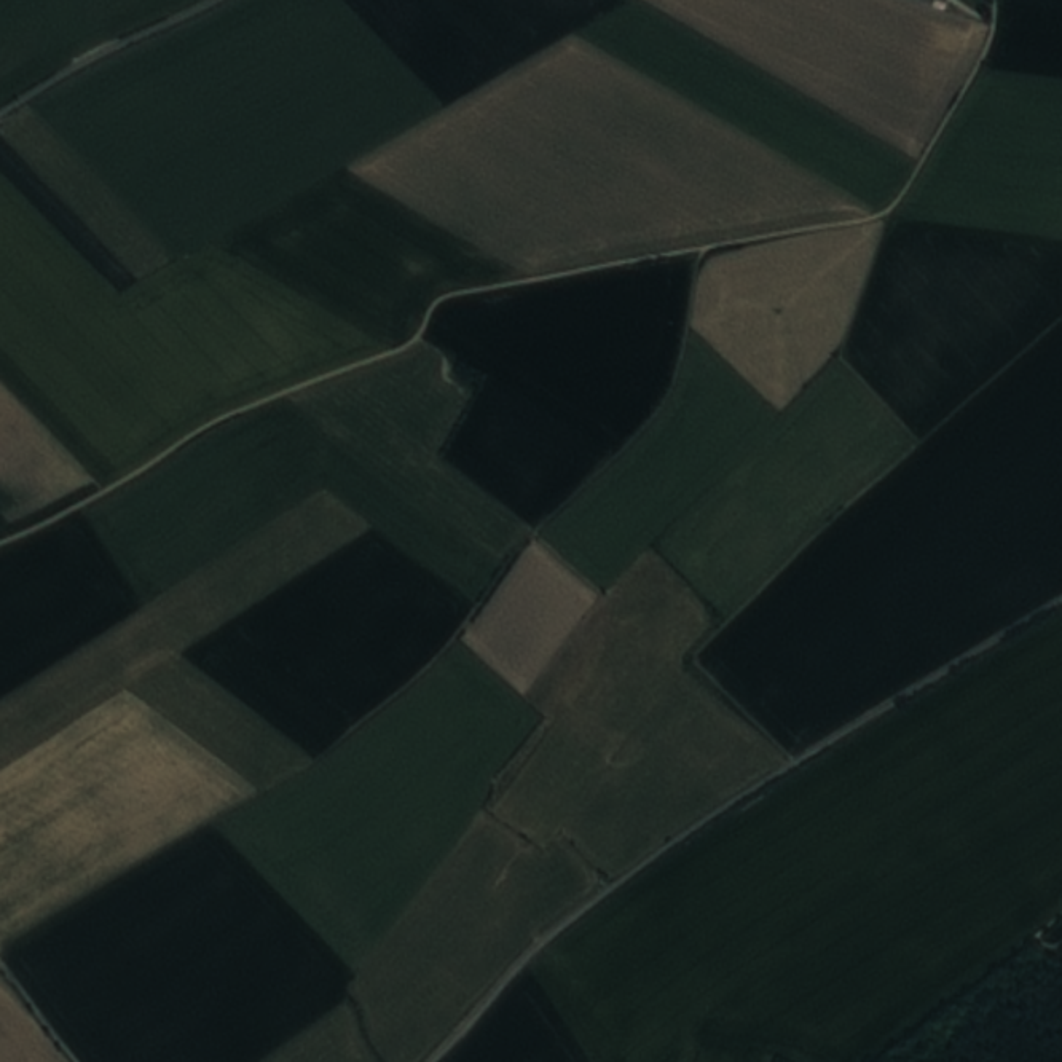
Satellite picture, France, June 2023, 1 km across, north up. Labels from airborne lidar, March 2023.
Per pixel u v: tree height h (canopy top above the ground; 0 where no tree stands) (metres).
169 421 0
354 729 0
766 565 0
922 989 0
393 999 0
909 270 0
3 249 0
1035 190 0
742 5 0
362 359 0
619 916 0
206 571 0
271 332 0
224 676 0
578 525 0
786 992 0
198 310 0
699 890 0
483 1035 0
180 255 0
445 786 0
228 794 0
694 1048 0
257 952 0
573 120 0
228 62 0
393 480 0
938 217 0
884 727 0
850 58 0
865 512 0
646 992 0
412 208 0
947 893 0
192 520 0
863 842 0
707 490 0
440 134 0
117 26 0
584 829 0
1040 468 0
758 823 0
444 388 0
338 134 0
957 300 0
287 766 0
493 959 0
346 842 0
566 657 0
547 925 0
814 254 0
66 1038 0
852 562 0
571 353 0
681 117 0
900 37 0
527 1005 0
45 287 0
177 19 0
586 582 0
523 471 0
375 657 0
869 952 0
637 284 0
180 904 0
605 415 0
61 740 0
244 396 0
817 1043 0
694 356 0
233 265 0
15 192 0
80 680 0
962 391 0
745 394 0
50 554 0
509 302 0
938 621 0
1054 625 0
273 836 0
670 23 0
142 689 0
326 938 0
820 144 0
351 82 0
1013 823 0
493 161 0
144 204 0
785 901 0
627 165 0
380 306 0
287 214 0
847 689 0
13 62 0
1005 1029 21
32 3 0
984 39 0
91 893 0
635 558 0
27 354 0
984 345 0
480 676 0
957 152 0
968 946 0
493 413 0
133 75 0
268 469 0
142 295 0
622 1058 0
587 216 0
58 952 0
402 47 0
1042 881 0
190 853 0
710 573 0
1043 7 0
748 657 0
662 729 0
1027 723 0
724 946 0
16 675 0
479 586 0
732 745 0
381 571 0
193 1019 0
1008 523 0
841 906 0
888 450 0
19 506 0
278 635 0
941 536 0
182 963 0
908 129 0
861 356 0
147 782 0
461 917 0
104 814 0
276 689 0
